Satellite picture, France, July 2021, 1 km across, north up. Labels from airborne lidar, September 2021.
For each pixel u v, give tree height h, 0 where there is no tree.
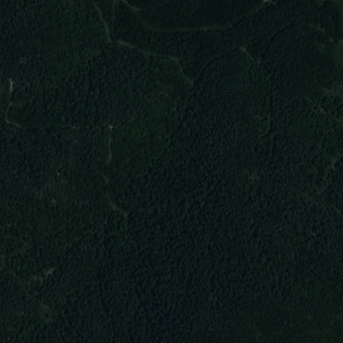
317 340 16
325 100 31
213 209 22
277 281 25
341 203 30
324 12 15
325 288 26
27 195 20
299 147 25
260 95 21
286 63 25
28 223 27
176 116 31
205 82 19
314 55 26
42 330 12
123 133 30
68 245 19
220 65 21
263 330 25
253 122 24
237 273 31
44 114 10
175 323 33
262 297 26
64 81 28
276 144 28
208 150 34
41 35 25
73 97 33
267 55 22
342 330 20
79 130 13
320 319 14
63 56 21
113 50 23
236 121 14
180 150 32
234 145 32
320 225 15
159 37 14
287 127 24
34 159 11
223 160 20
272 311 17
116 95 27
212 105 19
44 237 10
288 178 19
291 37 25
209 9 20
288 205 19
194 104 18
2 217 19
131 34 28
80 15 6
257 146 22
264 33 24
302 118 23
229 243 29
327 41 20
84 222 26
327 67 27
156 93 23
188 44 25
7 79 20
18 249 21
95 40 25
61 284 28
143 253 28
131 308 19
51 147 9
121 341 16
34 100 10
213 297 29
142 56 24
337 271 27
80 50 21
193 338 40
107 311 19
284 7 24
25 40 25
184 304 24
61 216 20
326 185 16
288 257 22
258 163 17
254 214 16
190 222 30
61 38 30
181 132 27
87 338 11
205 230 23
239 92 15
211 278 13
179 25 14
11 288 18
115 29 17
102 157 21
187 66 22
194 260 39
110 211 23
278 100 27
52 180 13
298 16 21
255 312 12
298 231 24
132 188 29
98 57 34
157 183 24
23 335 26
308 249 27
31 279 12
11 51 27
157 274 32
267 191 16
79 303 30
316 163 35
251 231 10
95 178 27
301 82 25
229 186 21
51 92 30
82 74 35
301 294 30
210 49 18
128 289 34
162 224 19
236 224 40
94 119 9
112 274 38
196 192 22
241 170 20
